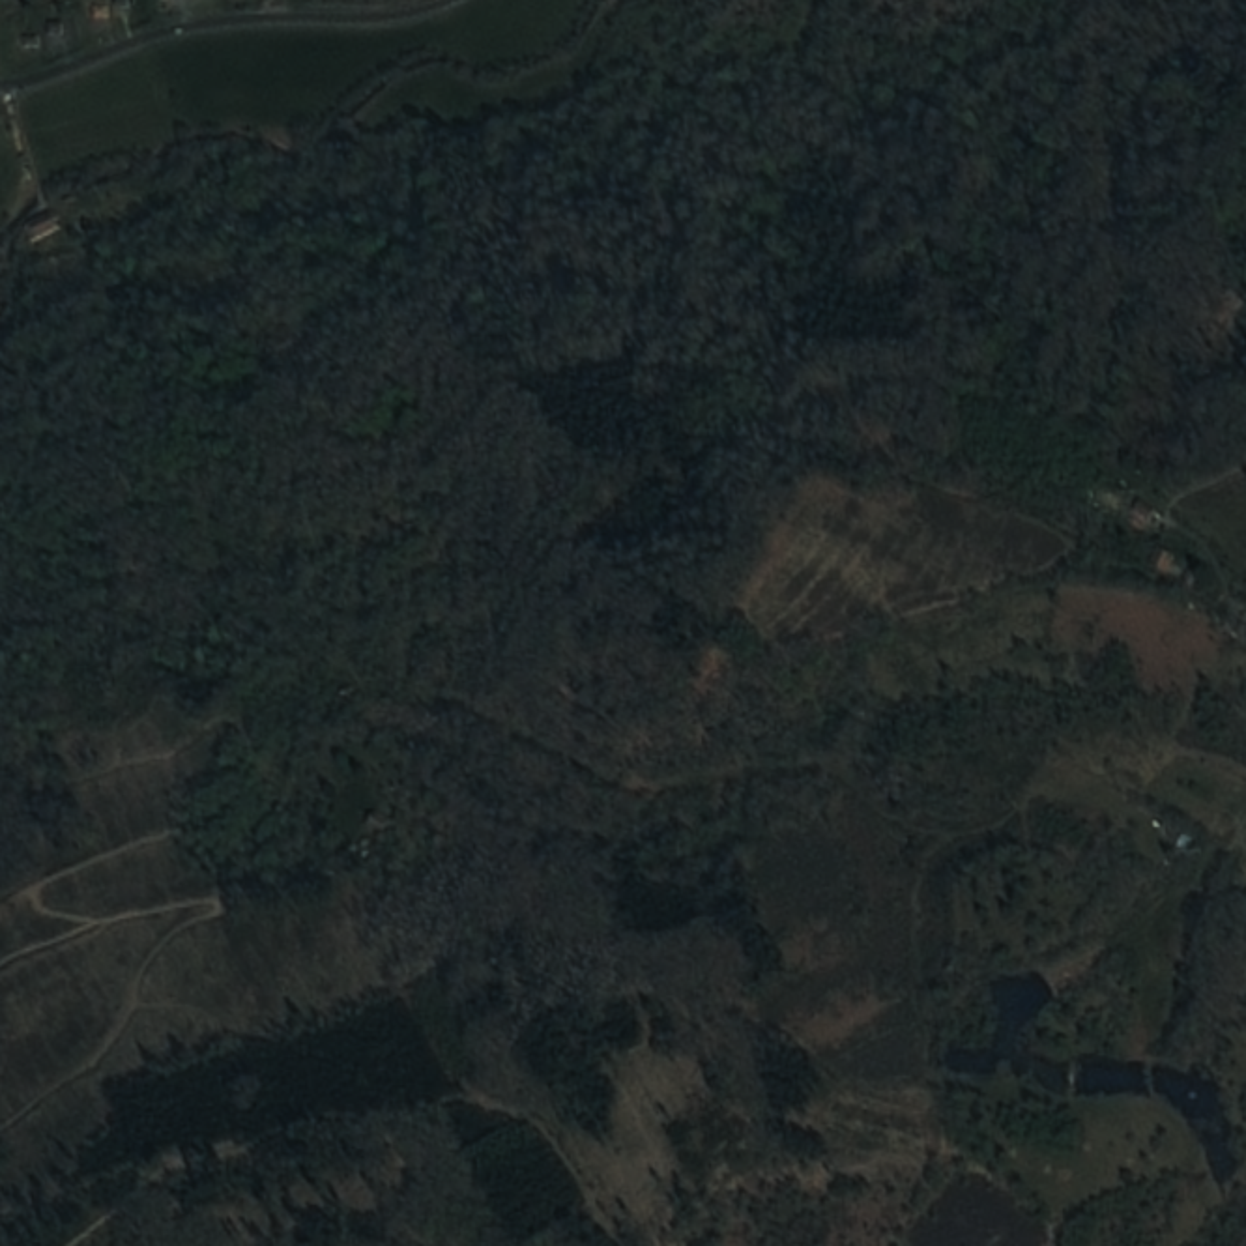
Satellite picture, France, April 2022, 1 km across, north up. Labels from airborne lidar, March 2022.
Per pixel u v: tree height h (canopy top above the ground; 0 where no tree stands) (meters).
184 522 21
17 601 18
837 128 29
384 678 14
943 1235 0
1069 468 9
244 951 0
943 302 28
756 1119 16
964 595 0
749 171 33
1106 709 9
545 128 23
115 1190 8
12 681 25
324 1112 8
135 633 26
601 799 22
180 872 0
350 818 0
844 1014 0
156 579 31
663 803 6
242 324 25
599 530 11
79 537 27
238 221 32
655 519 7
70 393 20
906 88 26
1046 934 13
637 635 21
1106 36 31
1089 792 0
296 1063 11
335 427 9
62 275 25
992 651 0
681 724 28
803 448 16
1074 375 28
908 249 36
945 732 7
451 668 12
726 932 27
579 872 31
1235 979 21
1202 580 19
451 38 0
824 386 35
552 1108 18
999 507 0
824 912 0
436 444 14
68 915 0
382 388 24
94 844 26
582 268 32
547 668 17
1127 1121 0
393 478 17
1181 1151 0
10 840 31
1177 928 0
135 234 21
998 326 15
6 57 0
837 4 31
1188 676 0
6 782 32
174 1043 0
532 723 25
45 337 24
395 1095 9
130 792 0
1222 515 0
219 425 24
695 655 20
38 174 0
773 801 17
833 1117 0
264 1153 7
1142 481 0
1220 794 0
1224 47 36
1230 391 33
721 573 20
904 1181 9
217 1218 18
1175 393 0
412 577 6
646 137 27
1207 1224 6
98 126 0
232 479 15
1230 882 18
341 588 21
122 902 0
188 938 0
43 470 20
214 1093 9
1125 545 8
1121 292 32
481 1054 22
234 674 18
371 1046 11
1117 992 9
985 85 24
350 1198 0
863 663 19
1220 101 25
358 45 0
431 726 25
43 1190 0
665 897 10
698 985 27
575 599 18
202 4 0
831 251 19
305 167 23
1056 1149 9
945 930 0
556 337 32
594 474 20
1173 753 0
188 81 0
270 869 17
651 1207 0
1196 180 36
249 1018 0
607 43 8
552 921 29
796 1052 21
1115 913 16
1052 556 0
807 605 0
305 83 0
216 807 15
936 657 0
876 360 37
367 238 21
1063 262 39
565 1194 11
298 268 24
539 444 24
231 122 0
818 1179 0
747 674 19
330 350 28
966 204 35
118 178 11
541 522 25
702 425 11
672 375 19
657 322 32
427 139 26
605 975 24
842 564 0
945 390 32
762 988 24
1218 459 33
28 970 0
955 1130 11
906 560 0
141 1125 9
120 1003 0
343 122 17
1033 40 20
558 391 17
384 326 25
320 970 0
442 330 32
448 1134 24
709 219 35
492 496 25
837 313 30
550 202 34
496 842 25
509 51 0
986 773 0
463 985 27
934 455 34
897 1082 0
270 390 15
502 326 22
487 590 22
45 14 0
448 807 15
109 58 0
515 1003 21
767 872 0
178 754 0
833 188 18
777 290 35
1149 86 35
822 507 0
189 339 23
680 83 10
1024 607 0
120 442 22
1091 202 38
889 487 29
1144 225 19
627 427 15
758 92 23
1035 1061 0
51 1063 0
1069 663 0
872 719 19
